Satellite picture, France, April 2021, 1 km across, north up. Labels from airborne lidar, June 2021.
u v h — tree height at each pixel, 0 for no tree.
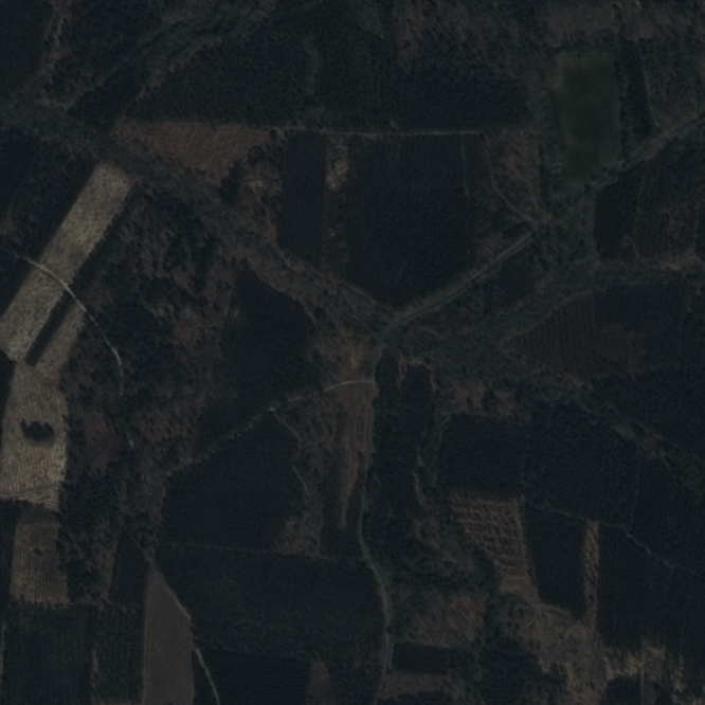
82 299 9
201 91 17
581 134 0
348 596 8
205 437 10
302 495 10
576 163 0
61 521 16
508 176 6
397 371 10
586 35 18
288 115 17
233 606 8
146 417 9
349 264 8
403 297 11
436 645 8
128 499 12
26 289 0
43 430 15
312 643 9
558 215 14
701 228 7
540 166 17
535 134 11
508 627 10
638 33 15
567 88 0
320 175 11
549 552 11
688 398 18
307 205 11
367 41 17
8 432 0
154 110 15
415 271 11
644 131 11
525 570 18
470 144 8
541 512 9
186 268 12
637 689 11
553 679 9
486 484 17
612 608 11
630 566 11
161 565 10
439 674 8
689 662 8
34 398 0
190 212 17
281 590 9
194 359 7
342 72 8
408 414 9
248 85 18
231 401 8
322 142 9
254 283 10
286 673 9
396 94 15
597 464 17
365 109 7
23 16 12
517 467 15
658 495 12
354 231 8
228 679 9
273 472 8
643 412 17
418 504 12
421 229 10
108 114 11
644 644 8
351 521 8
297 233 11
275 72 18
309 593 9
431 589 12
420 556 12
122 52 16
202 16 7
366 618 9
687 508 12
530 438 14
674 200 6
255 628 8
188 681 0
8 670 14
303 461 7
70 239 0
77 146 9
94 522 17
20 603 7
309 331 11
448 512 11
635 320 10
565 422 18
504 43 10
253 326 10
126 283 15
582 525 9
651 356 8
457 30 16
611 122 0
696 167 7
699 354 16
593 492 15
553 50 11
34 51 14
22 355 0
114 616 14
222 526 10
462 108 14
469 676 19
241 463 9
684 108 15
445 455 18
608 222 11
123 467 13
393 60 17
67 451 0
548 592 13
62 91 13
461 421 17
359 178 7
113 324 15
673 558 11
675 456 16
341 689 17
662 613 11
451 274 10
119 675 15
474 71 13
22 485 0
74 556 12
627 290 10
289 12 8
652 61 14
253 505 8
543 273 8
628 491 16
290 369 9
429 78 12
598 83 0
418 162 9
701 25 12
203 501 10
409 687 6
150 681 0
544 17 15
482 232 8
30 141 10
